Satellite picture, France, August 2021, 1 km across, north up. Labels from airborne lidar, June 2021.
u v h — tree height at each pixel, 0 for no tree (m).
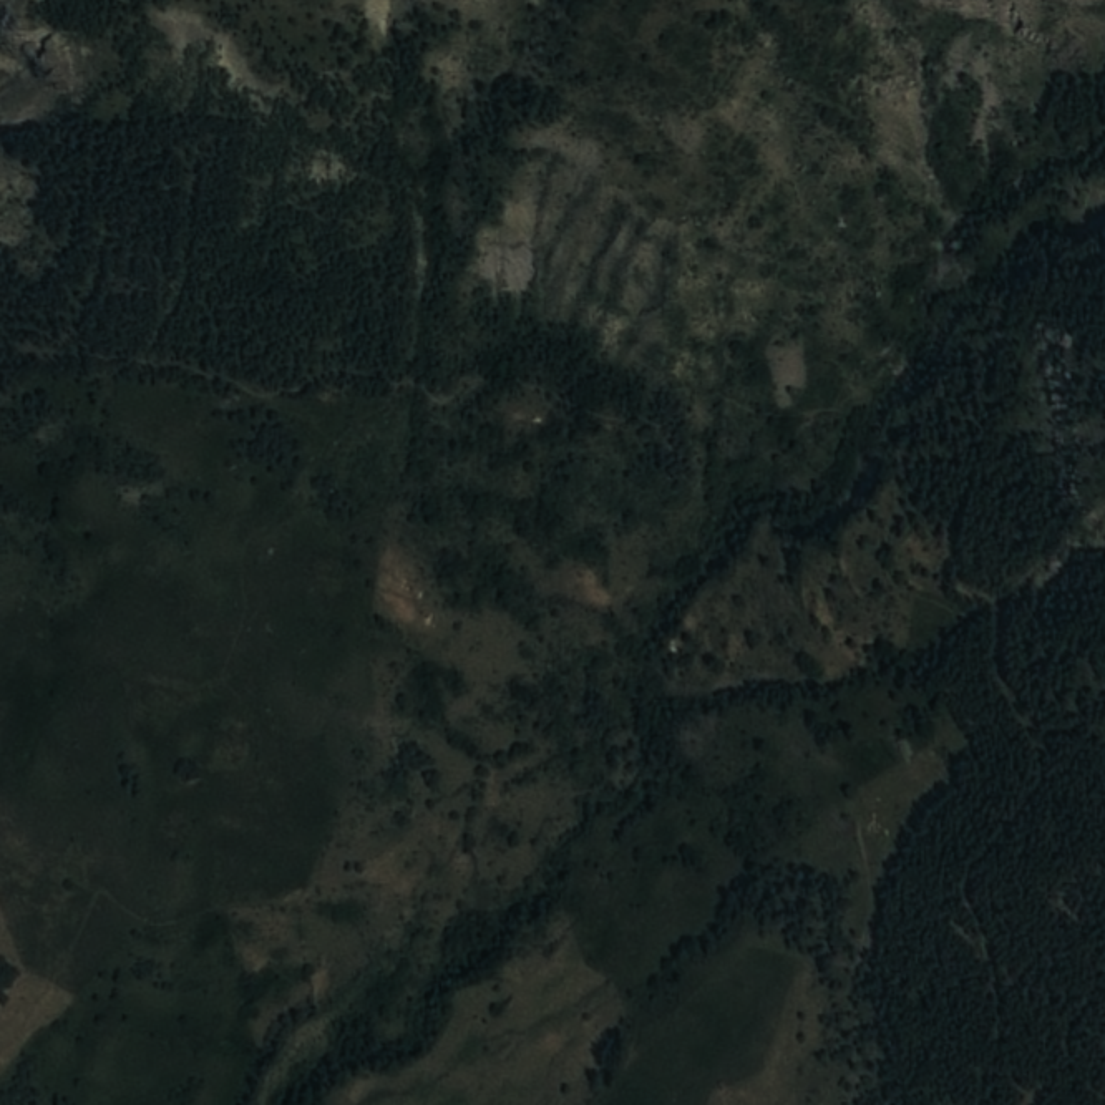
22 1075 8
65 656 0
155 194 20
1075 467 14
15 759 0
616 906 0
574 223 0
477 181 12
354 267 13
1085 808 24
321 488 9
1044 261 30
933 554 0
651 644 9
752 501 12
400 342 15
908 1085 14
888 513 0
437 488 7
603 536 8
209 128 17
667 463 12
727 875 0
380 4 0
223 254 14
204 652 0
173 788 0
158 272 18
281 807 0
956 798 20
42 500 0
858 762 0
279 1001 0
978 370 20
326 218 9
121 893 0
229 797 0
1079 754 24
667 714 9
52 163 15
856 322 6
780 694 17
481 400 13
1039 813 23
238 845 0
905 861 18
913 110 0
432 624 0
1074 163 13
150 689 0
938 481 22
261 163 8
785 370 0
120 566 0
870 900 0
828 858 0
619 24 0
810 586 0
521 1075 0
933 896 19
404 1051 8
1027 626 15
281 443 16
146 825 0
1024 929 20
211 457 0
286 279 14
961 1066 19
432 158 7
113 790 0
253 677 0
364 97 11
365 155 8
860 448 7
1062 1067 21
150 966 7
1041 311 10
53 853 0
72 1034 0
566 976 0
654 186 0
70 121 10
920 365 11
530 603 7
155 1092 0
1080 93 28
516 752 10
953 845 18
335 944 0
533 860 0
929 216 8
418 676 9
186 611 0
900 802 0
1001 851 18
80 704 0
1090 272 31
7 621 0
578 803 7
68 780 0
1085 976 17
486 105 8
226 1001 0
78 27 8
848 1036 12
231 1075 0
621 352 0
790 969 0
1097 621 17
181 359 11
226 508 0
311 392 14
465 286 0
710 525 10
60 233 14
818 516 12
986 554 21
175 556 0
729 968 0
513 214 0
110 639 0
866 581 0
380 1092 0
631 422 8
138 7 9
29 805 0
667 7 0
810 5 0
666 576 9
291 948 0
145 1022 0
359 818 0
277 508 0
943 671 22
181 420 0
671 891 0
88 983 0
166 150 17
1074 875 21
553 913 16
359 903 0
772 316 7
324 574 0
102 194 22
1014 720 21
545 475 7
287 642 0
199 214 19
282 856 0
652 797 9
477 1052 0
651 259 0
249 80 0
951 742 0
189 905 0
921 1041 20
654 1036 0
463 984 13
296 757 0
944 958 18
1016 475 21
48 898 0
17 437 7
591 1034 0
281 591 0
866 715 6
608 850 0
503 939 7
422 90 15
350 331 14
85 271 18
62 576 6
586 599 0
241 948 0
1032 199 16
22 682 0
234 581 0
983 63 0
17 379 21
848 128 8
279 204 10
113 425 0
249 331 13
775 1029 0
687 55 0
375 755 0
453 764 0
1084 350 18
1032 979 12
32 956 0
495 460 7
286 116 10
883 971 16
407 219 14
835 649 0
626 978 0
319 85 12
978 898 19
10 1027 0
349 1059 9
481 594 10
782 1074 0
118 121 11
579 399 15
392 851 0
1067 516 10
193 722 0
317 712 0
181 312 13
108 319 17
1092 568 14
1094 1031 17
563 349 13
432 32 10
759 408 7
